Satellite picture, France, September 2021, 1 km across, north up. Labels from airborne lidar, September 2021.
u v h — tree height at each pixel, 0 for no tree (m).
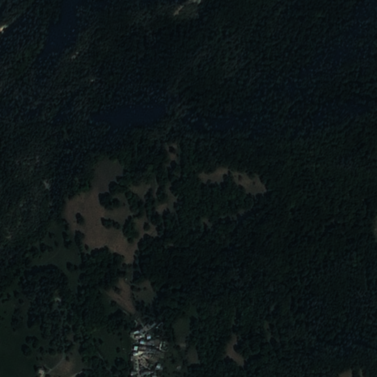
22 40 16
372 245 21
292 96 23
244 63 21
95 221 0
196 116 13
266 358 21
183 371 0
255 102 25
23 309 0
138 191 0
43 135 19
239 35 18
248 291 30
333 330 27
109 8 19
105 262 22
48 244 0
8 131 15
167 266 24
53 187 17
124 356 0
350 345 8
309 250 21
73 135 26
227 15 25
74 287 0
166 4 20
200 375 22
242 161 28
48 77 12
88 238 0
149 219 8
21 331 0
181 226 22
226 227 26
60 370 0
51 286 28
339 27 27
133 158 33
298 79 22
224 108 28
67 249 17
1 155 20
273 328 21
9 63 14
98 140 21
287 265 25
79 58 10
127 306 0
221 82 20
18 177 11
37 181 8
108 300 0
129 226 18
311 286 20
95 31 23
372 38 21
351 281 24
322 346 31
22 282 23
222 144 25
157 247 25
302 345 20
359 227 20
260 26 22
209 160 28
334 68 17
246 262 27
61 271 6
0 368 0
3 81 12
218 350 24
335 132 19
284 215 24
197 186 25
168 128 25
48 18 23
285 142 19
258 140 27
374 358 21
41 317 6
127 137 22
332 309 27
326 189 28
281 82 19
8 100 12
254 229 23
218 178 0
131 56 20
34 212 9
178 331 0
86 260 16
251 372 18
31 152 9
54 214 17
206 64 20
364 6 12
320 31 23
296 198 31
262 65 22
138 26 24
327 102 21
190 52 19
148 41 28
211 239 27
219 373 20
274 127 24
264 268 33
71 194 10
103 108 22
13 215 14
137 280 19
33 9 14
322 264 21
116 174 0
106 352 0
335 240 27
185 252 26
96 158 20
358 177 24
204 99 25
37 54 12
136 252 8
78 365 0
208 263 23
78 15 14
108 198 18
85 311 20
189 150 23
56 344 9
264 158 29
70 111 15
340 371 19
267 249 30
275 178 24
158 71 23
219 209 18
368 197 26
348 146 29
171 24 32
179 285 21
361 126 18
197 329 19
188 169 20
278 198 30
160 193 16
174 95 14
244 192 15
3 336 0
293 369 26
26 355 17
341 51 22
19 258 20
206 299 24
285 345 20
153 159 28
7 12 12
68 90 15
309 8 30
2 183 16
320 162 24
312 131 16
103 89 19
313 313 29
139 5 17
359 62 18
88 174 16
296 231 24
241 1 21
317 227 21
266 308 18
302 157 25
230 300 25
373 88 29
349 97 25
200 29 19
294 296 15
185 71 15
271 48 26
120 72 24
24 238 14
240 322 21
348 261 23
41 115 10
